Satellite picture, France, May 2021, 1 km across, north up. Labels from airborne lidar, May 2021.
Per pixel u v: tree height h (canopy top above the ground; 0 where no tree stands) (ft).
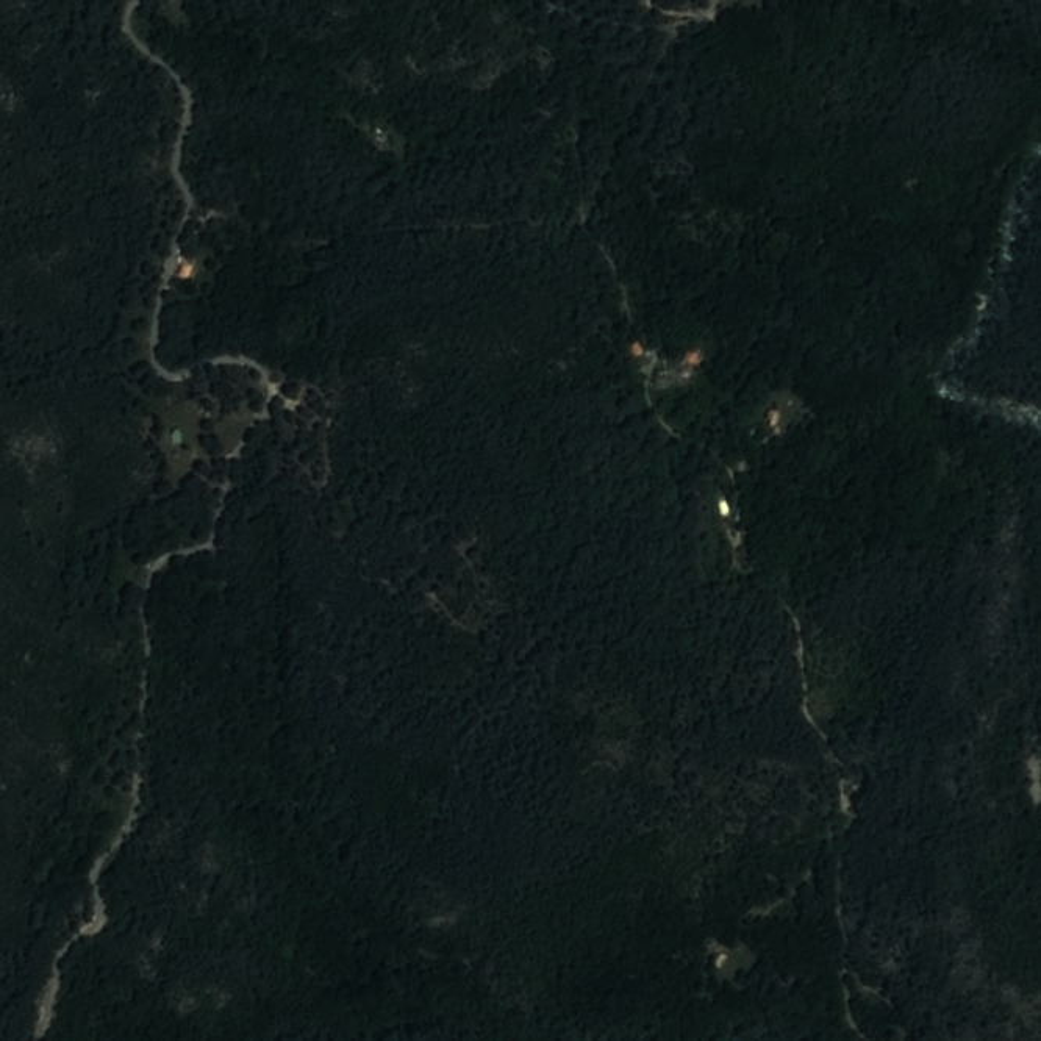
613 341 19
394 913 36
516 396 43
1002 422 38
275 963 60
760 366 44
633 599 48
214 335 61
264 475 68
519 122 68
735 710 46
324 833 42
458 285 20
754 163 56
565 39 101
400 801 48
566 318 24
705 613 49
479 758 56
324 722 49
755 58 33
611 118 41
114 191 37
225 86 71
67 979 45
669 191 43
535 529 20
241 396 24
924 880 30
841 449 29
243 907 74
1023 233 29
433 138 52
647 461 52
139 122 49
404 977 59
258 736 82
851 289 84
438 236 43
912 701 61
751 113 34
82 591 70
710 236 25
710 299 50
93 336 20
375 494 52
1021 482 38
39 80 17
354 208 74
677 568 45
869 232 47
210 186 70
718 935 57
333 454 20
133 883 65
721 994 31
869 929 50
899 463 38
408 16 53
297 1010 70
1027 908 26
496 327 27
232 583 35
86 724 26
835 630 28
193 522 55
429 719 60
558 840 42
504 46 34
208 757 83
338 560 49
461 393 44
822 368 39
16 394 41
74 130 29
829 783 57
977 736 44
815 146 51
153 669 56
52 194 21
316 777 50
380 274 47
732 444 25
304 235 43
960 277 64
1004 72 84
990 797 32
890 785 59
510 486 38
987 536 29
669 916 47
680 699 47
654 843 29
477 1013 66
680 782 44
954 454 37
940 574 65
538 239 50
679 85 59
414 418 37
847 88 26
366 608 47
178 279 33
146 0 62
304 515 60
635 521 55
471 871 54
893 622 71
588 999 37
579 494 71
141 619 64
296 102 75
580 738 34
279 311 68
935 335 35
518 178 66
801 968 45
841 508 52
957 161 53
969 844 37
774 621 51
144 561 66
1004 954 30
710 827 39
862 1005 37
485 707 68
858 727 68
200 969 80
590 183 78
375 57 52
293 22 51
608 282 55
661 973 46
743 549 20
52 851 43
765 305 36
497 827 51
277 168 64
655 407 27
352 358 35
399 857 51
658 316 47
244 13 78
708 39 40
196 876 41
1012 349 27
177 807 52
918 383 52
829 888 61
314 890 67
